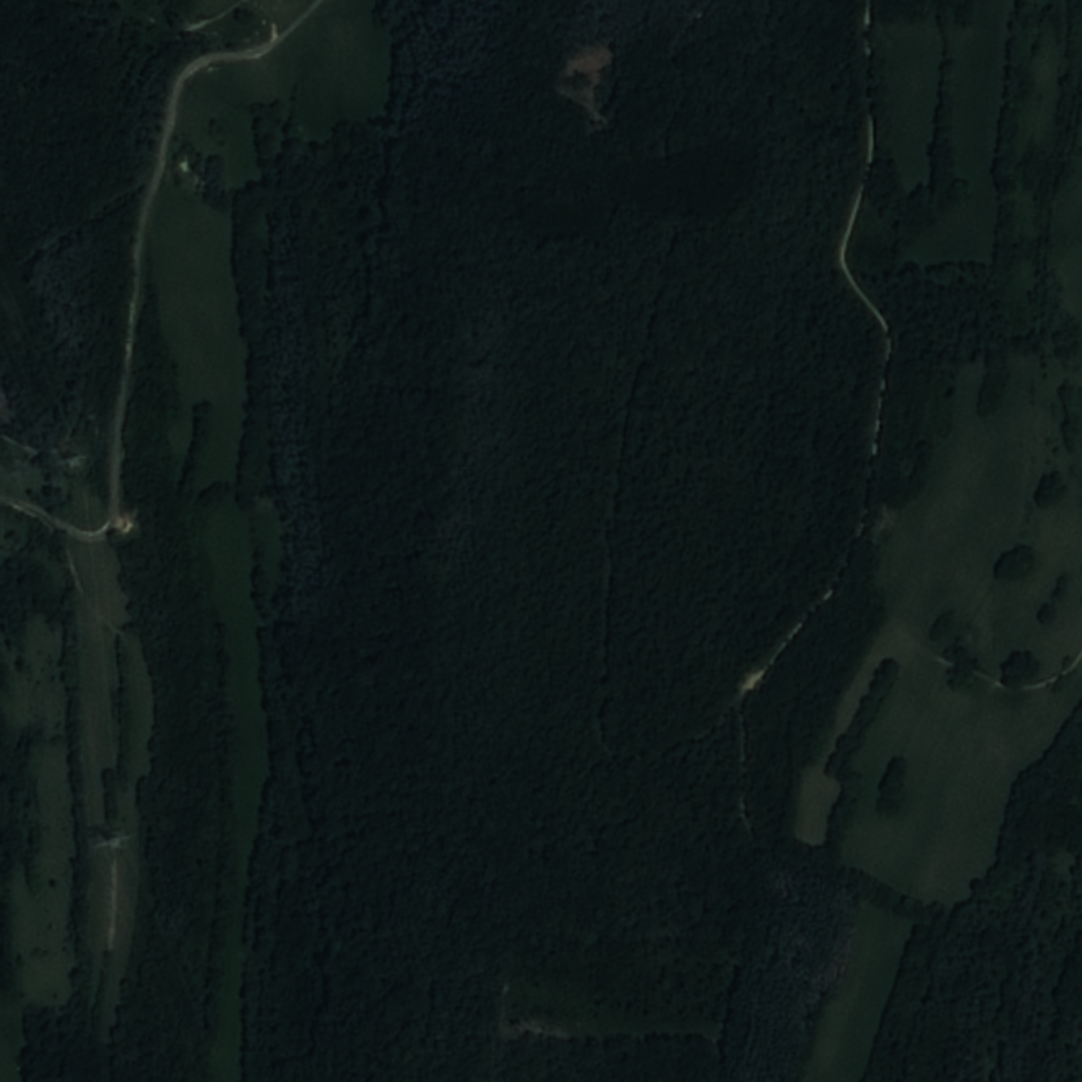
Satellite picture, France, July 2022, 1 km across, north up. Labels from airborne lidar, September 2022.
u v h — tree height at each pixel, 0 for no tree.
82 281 16
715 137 14
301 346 16
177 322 0
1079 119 8
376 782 25
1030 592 0
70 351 21
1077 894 11
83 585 0
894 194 17
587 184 14
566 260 17
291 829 15
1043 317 10
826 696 12
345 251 9
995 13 0
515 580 11
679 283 11
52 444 13
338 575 23
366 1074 19
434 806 16
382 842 29
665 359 21
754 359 14
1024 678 15
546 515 7
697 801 14
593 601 10
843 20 15
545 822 14
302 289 15
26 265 9
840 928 22
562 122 11
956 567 0
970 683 12
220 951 18
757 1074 28
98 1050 7
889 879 0
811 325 14
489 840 18
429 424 20
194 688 15
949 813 0
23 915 0
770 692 14
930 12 16
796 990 25
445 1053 11
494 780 12
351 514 24
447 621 12
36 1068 23
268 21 0
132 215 17
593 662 14
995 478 0
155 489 13
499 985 9
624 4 17
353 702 27
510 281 8
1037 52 14
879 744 0
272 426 18
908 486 11
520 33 14
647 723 10
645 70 13
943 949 16
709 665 13
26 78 22
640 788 7
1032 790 21
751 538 12
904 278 20
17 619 8
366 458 16
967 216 0
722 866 19
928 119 0
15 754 8
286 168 19
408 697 22
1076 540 0
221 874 15
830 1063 0
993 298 16
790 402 14
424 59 25
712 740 12
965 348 13
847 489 11
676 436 8
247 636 0
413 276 22
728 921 19
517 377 11
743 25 13
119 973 0
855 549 12
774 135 6
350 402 13
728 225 15
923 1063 16
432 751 18
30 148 17
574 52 19
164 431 8
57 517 11
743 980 22
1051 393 0
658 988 15
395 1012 22
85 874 13
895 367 14
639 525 16
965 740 0
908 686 0
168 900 16
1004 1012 16
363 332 12
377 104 0
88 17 24
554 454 10
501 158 20
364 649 23
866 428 6
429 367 16
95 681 0
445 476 15
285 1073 27
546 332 13
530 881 12
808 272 14
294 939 8
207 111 0
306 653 23
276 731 20
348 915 22
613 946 18
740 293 9
